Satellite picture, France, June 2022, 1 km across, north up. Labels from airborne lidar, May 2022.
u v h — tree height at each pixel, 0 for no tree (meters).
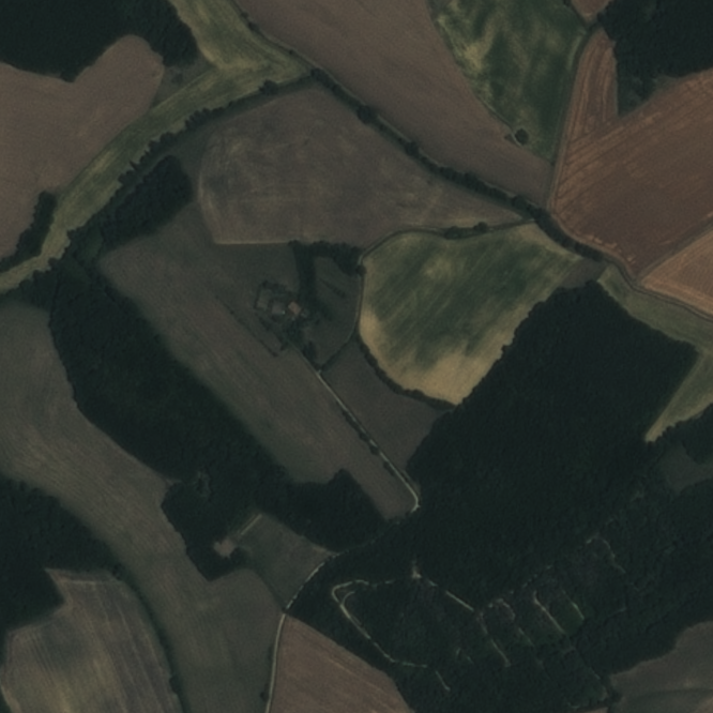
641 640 17
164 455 16
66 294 18
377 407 0
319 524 11
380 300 0
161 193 25
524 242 0
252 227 0
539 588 10
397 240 0
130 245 0
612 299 15
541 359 12
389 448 0
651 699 0
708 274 0
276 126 0
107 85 0
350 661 0
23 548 15
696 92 0
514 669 14
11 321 0
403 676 8
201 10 0
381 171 0
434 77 0
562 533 24
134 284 0
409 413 0
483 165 0
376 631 8
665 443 14
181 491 11
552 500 9
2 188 0
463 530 10
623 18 13
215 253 0
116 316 23
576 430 10
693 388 0
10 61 12
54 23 13
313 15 0
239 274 0
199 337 0
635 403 14
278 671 0
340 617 8
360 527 12
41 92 0
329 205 0
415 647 11
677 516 17
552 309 16
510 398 16
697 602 16
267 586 0
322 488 13
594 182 0
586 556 13
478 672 15
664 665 0
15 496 11
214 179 0
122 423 14
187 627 0
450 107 0
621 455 23
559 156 0
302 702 0
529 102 0
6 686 0
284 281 0
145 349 19
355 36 0
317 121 0
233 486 18
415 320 0
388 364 0
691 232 0
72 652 0
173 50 14
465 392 0
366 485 0
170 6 17
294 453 0
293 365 0
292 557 0
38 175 0
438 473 10
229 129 0
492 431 9
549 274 0
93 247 0
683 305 0
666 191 0
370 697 0
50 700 0
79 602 0
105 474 0
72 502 0
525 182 0
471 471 8
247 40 0
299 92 0
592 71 0
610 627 20
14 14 12
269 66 0
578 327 19
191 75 0
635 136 0
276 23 0
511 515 9
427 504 10
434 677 9
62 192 0
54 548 22
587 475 18
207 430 14
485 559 12
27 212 0
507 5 0
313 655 0
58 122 0
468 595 14
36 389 0
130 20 14
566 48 0
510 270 0
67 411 0
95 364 15
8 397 0
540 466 7
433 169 11
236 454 16
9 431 0
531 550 18
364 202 0
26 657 0
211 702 0
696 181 0
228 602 0
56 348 9
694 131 0
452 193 0
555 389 11
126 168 0
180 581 0
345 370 0
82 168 0
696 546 21
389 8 0
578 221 0
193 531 14
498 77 0
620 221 0
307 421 0
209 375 0
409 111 0
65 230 0
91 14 13
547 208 0
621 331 17
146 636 0
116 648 0
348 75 0
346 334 0
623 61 10
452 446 10
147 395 18
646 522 7
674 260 0
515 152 0
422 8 0
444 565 9
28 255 13
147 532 0
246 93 0
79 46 10
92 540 15
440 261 0
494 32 0
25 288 18
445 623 11
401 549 10
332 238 0
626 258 0
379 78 0
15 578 14
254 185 0
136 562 0
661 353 17
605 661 17
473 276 0
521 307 0
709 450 16
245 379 0
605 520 11
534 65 0
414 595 13
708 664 0
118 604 0
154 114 0
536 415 8
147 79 0
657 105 0
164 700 0
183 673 0
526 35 0
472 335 0
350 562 9
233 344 0
